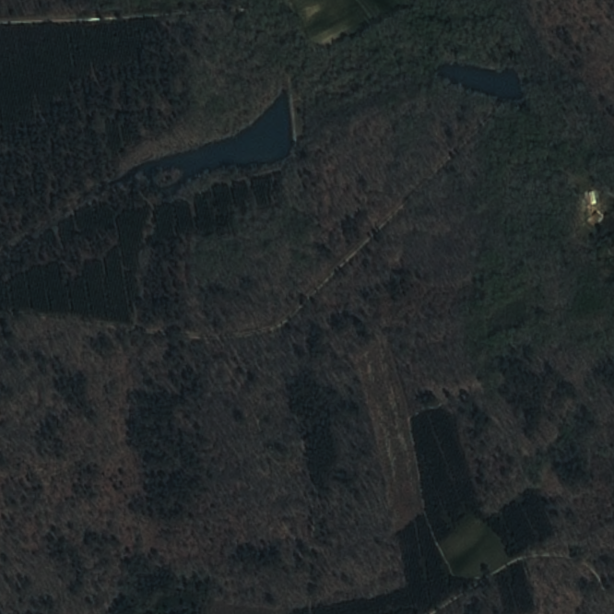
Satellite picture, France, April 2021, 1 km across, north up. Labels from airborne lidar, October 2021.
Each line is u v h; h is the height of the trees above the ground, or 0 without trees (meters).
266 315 16
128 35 11
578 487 26
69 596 15
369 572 16
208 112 13
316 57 20
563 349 11
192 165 0
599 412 16
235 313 17
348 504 17
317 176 10
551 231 21
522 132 24
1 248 22
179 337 25
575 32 13
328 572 15
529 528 11
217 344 15
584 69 22
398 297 18
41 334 15
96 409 15
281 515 8
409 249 15
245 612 0
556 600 13
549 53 13
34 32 12
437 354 13
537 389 29
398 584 19
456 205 15
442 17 25
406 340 18
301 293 13
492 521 10
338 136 13
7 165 18
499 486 15
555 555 14
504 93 0
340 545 16
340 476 15
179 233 13
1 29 13
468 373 12
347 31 0
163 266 20
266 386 14
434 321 19
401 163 21
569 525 16
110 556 13
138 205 15
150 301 18
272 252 21
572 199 17
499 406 17
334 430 25
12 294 11
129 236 13
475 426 25
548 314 9
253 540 10
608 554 13
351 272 15
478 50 19
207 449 22
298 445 20
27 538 9
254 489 13
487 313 13
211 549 7
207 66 18
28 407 8
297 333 13
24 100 12
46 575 16
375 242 12
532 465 16
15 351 15
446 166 10
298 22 22
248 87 19
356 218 8
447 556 0
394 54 14
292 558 19
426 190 14
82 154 12
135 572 14
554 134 16
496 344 17
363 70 12
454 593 9
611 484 7
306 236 20
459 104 21
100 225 13
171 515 6
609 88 15
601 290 17
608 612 19
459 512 10
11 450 11
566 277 14
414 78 22
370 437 17
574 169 23
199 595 16
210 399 11
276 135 0
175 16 15
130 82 18
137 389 11
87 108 11
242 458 12
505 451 17
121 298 11
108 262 11
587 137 19
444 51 16
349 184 16
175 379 19
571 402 33
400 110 16
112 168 20
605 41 12
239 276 19
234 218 12
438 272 13
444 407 16
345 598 11
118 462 12
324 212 18
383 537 17
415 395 10
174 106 19
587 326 15
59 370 25
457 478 8
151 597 17
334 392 21
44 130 20
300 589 12
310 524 9
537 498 9
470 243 14
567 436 20
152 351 18
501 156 17
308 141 15
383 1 0
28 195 20
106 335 12
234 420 13
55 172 17
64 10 14
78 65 11
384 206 17
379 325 17
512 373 30
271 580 14
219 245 18
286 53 18
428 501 9
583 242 17
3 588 17
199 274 17
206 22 20
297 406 19
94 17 11
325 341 25
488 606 15
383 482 16
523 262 15
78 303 12
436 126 19
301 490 10
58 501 6
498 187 19
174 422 23
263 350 17
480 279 8
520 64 15
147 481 9
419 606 9
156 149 15
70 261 20
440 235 19
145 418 21
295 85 7
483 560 0
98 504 8
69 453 14
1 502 11
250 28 21
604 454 19
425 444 10
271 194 13
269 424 10
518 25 20
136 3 19
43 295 14
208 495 16
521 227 16
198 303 15
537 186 22
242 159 0
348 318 9
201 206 12
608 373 28
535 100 22
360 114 17
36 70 14
